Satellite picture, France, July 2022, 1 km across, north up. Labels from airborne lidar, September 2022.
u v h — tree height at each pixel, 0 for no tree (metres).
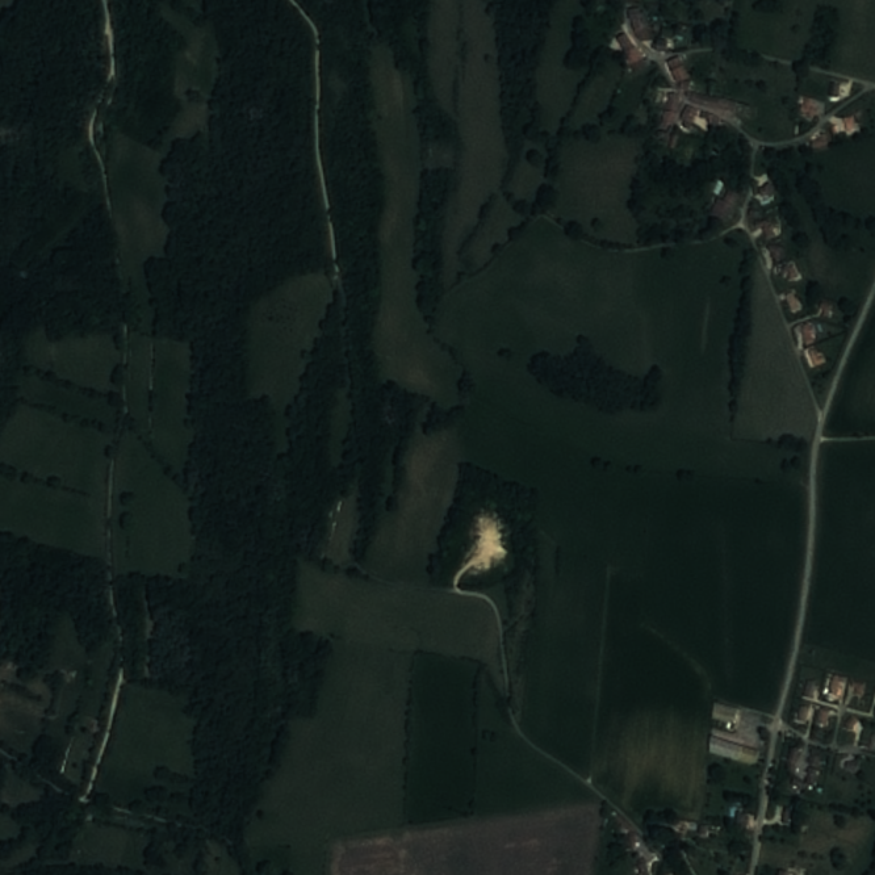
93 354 0
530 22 19
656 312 0
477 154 0
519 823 0
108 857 0
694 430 0
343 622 0
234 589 12
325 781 0
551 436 0
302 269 9
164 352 0
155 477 0
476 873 0
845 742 0
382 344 0
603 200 0
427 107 7
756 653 0
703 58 0
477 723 6
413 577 0
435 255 6
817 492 0
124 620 9
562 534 0
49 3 13
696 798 0
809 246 19
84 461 0
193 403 20
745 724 0
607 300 0
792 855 0
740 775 0
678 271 0
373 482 19
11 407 14
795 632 0
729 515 0
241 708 6
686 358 0
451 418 19
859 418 0
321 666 14
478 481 20
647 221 7
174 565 0
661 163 10
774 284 0
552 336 0
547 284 0
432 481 0
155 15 17
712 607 0
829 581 0
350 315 11
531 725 0
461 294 0
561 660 0
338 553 0
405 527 0
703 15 10
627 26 0
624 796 0
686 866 17
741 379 16
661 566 0
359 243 16
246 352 12
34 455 0
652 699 0
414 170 0
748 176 13
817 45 12
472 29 0
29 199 15
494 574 0
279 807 0
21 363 9
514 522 14
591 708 0
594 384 16
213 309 14
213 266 14
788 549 0
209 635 7
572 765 0
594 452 0
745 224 0
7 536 16
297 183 14
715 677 0
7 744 10
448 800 0
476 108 0
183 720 0
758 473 0
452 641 0
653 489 0
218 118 9
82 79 10
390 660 0
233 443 19
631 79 0
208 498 17
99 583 6
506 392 0
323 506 19
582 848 0
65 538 0
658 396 12
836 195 0
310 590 0
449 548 12
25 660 14
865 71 0
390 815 0
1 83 18
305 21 8
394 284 0
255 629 12
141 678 7
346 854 0
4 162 16
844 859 23
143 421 0
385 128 0
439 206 16
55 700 6
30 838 18
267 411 12
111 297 10
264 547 20
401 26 8
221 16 13
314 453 20
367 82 11
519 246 0
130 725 0
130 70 9
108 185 6
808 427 0
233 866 0
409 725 8
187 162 14
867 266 0
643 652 0
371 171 12
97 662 0
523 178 0
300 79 6
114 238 22
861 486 0
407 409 18
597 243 6
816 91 0
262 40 12
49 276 23
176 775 13
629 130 13
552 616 0
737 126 0
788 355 0
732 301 0
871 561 0
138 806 13
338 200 8
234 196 10
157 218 0
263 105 19
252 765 16
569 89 0
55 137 11
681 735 0
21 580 19
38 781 21
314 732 0
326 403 18
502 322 0
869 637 0
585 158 0
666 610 0
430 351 0
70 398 0
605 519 0
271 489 16
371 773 0
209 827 11
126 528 14
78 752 0
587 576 0
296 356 0
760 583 0
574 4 0
